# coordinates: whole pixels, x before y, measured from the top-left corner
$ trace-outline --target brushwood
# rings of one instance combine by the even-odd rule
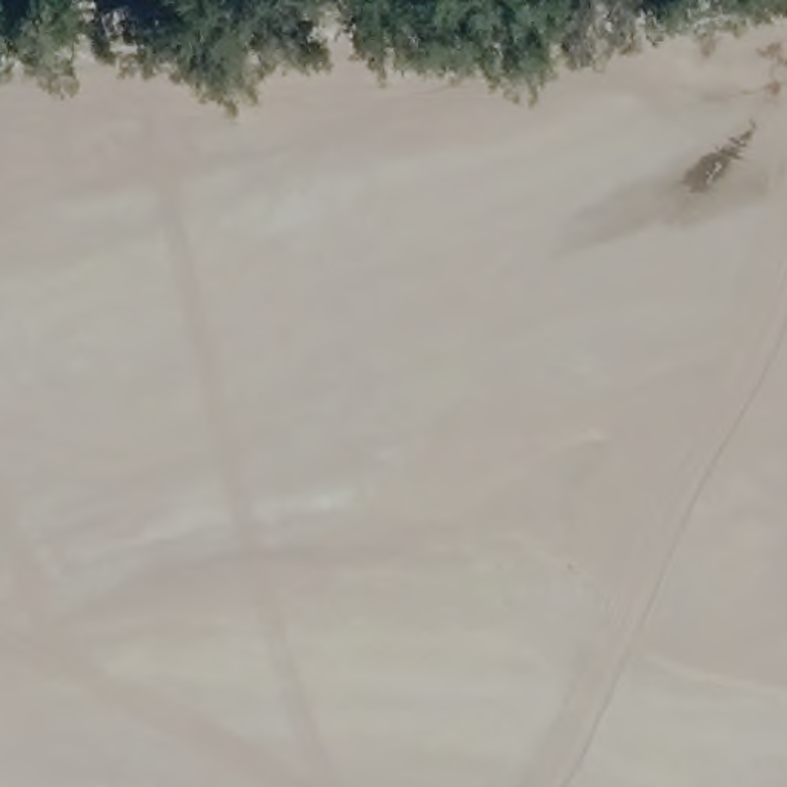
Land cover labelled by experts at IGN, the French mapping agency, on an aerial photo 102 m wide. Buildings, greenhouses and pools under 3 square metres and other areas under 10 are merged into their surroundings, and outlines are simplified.
[[[689,34],[695,43],[716,43],[719,31],[738,37],[753,22],[744,12],[719,12],[716,6],[710,6],[710,0],[698,0],[695,9],[686,9],[686,22],[673,25],[673,34]]]
[[[593,3],[593,18],[587,22],[584,37],[572,49],[563,52],[560,43],[547,46],[550,68],[587,68],[590,61],[609,61],[612,55],[633,55],[649,43],[658,46],[670,34],[667,25],[649,12],[636,15],[630,25],[612,25],[609,6]]]

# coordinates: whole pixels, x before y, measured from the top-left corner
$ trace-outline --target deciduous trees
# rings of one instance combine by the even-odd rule
[[[412,68],[418,74],[458,71],[470,77],[483,71],[483,77],[495,89],[507,77],[526,80],[532,74],[541,74],[547,80],[550,68],[547,46],[560,43],[563,52],[572,49],[584,37],[587,22],[593,18],[593,3],[609,6],[612,25],[630,25],[636,15],[649,12],[667,25],[670,34],[673,34],[673,25],[686,22],[686,9],[695,9],[698,0],[160,0],[178,15],[172,25],[148,25],[141,28],[144,43],[135,43],[141,77],[154,77],[154,71],[160,71],[175,83],[191,83],[200,101],[221,105],[227,117],[237,117],[240,108],[255,105],[261,80],[274,74],[283,61],[317,71],[329,68],[329,49],[310,34],[323,18],[323,6],[332,6],[341,15],[341,25],[347,28],[354,49],[369,65],[369,71],[381,68],[384,58],[394,58],[400,71]]]
[[[77,0],[0,0],[0,83],[12,77],[15,61],[22,61],[28,74],[37,80],[37,86],[49,95],[77,95],[80,77],[74,71],[74,61],[65,61],[58,49],[65,43],[77,43],[77,37],[83,34],[92,43],[95,58],[101,58],[105,65],[111,61],[114,49],[108,43],[108,34],[92,31],[92,18],[83,22],[83,15],[74,6]]]
[[[719,12],[744,12],[753,22],[765,25],[778,15],[787,15],[787,0],[710,0],[710,6],[716,6]]]

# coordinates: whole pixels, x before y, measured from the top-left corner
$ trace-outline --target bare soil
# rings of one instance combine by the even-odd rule
[[[108,43],[114,49],[111,61],[105,65],[101,58],[95,58],[92,43],[83,34],[77,37],[77,43],[65,43],[58,49],[65,61],[74,61],[74,71],[80,77],[77,95],[49,95],[37,86],[37,80],[28,74],[22,61],[15,61],[12,77],[0,83],[0,787],[787,787],[787,15],[778,15],[765,25],[753,22],[738,37],[719,31],[716,43],[695,43],[689,34],[673,34],[670,34],[658,46],[649,43],[633,55],[612,55],[609,61],[590,61],[587,68],[550,68],[547,80],[541,74],[532,74],[526,80],[507,77],[495,89],[483,77],[483,71],[470,77],[458,71],[418,74],[412,68],[400,71],[394,58],[384,58],[381,68],[369,71],[369,65],[354,49],[347,28],[341,25],[341,15],[332,6],[323,6],[323,18],[310,34],[329,49],[329,68],[317,71],[283,61],[274,74],[261,80],[255,105],[240,108],[237,117],[227,117],[221,105],[200,101],[191,83],[175,83],[160,71],[154,71],[154,77],[141,77],[135,43],[144,43],[141,28],[148,25],[144,12],[105,12],[92,0],[77,0],[74,6],[83,15],[83,22],[92,18],[92,31],[108,34]]]

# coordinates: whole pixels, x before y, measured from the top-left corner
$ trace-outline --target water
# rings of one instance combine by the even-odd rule
[[[144,12],[148,25],[172,25],[178,15],[160,0],[92,0],[105,12]]]

